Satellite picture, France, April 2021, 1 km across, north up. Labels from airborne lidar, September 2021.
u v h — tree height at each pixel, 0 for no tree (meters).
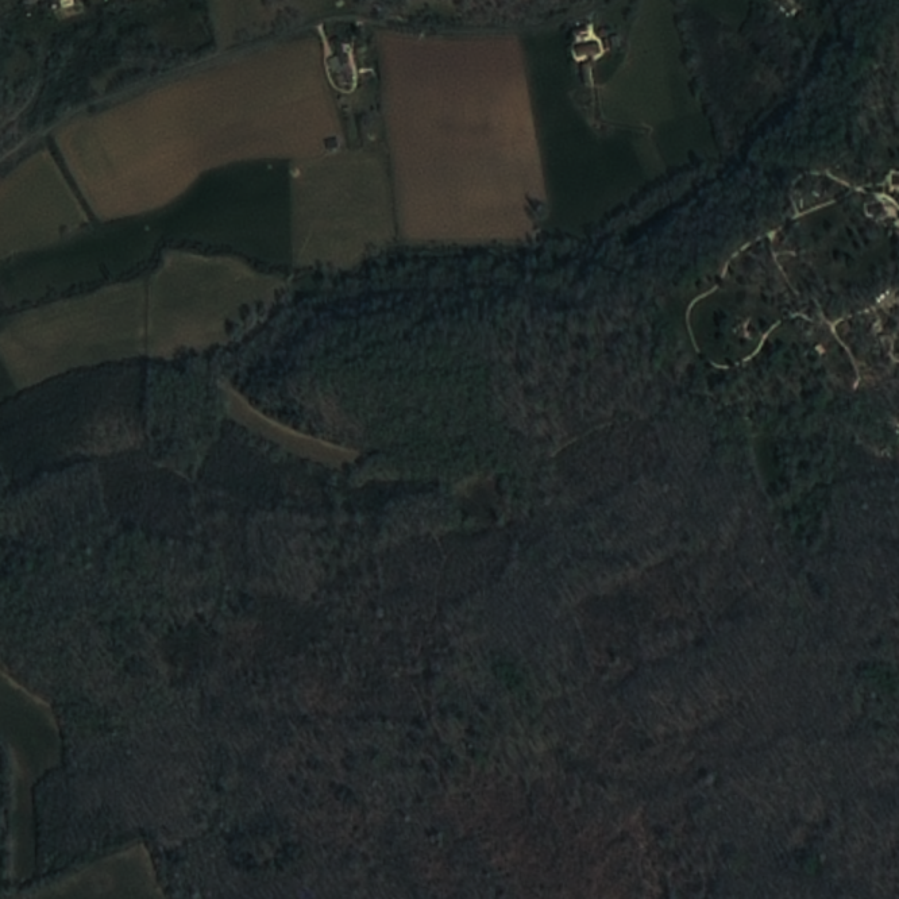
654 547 18
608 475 9
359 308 18
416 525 21
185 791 19
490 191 0
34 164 0
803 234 20
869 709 20
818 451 10
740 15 0
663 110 0
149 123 0
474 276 18
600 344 7
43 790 10
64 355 0
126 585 22
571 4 14
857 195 15
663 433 15
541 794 5
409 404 20
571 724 13
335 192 0
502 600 19
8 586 21
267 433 0
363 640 19
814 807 16
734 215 23
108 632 23
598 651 9
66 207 0
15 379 0
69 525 16
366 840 15
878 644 14
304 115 0
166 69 8
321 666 16
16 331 0
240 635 7
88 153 0
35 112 8
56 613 22
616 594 6
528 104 0
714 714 19
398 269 18
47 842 11
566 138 0
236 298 0
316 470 8
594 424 9
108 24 14
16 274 0
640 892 11
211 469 11
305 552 15
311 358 22
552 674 18
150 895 0
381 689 8
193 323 0
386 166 0
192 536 19
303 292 0
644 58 0
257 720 15
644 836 5
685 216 25
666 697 23
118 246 0
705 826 19
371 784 19
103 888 0
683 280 21
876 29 20
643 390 7
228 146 0
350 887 12
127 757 22
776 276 19
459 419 25
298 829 10
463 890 9
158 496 8
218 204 0
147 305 0
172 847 18
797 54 8
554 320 18
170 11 0
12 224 0
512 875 9
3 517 13
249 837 16
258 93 0
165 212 0
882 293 14
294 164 0
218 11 0
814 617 20
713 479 21
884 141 25
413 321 18
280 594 23
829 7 17
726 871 16
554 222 0
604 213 0
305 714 15
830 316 22
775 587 23
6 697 0
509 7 15
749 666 21
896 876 11
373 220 0
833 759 18
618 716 6
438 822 8
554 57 0
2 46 8
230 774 18
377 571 19
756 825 21
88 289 7
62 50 17
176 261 0
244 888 16
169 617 18
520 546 19
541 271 16
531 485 16
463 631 16
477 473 19
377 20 18
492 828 6
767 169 12
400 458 22
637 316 25
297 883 13
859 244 11
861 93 20
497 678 20
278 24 15
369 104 0
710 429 20
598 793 10
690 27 11
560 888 8
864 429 22
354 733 20
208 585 18
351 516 9
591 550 21
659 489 20
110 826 15
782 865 20
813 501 10
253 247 0
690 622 7
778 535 10
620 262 24
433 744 17
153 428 12
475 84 0
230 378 16
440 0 14
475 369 19
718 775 15
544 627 21
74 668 22
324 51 0
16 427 9
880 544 14
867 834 12
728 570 12
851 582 20
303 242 0
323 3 0
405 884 9
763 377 20
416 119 0
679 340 18
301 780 13
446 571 9
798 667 17
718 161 7
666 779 8
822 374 10
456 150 0
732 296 0
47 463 10
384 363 23
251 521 17
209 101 0
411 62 0
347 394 16
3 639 19
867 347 19
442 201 0
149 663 22
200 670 17
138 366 8
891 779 21
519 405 22
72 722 25
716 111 11
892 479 13
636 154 0
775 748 15
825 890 15
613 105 0
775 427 22
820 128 29
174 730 19
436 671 15
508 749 23
